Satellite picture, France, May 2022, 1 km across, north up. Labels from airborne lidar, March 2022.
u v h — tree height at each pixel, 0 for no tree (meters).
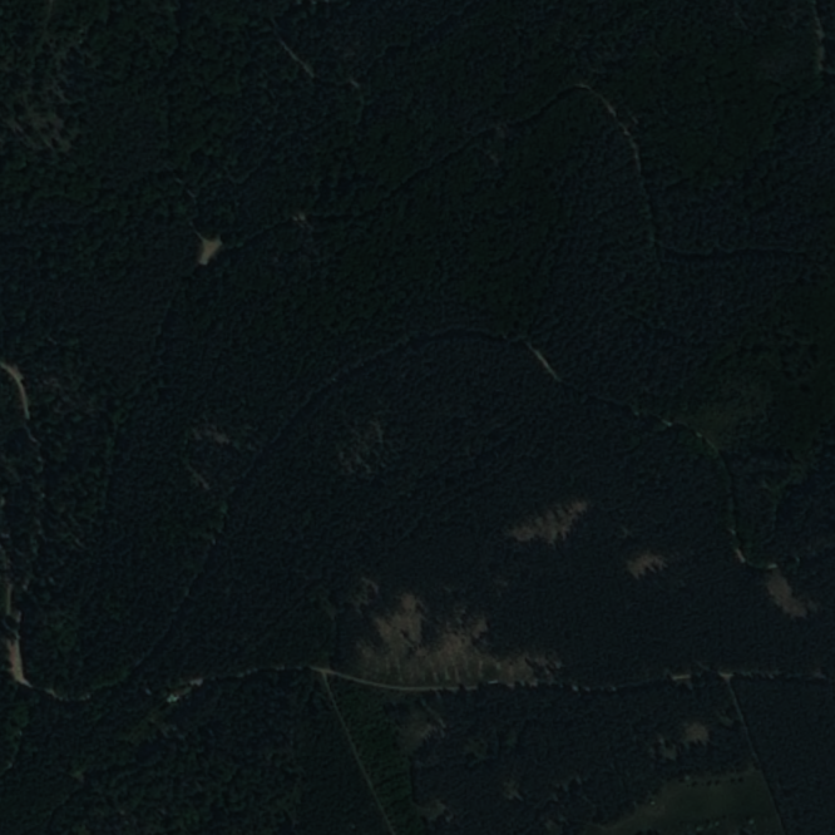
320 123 22
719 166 22
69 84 9
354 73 20
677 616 26
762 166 25
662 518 23
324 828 10
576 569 20
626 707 18
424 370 26
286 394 27
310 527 21
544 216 17
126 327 31
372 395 23
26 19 13
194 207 19
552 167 16
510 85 25
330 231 20
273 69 33
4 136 26
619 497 20
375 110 26
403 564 19
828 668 22
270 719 43
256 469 25
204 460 20
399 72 22
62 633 19
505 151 16
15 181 31
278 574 24
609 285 28
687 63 23
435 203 16
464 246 20
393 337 26
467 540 21
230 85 31
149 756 26
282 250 17
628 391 28
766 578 21
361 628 21
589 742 20
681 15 24
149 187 27
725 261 22
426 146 19
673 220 32
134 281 29
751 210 24
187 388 22
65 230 33
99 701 17
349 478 26
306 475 25
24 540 33
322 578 27
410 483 21
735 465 25
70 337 22
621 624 23
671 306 29
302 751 12
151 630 28
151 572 22
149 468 24
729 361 11
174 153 28
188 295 21
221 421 23
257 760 36
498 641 22
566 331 31
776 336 31
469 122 25
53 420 18
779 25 27
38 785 12
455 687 0
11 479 28
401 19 28
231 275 19
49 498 33
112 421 10
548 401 28
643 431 26
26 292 23
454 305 31
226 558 23
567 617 24
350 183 22
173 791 35
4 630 33
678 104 20
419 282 19
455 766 20
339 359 23
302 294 16
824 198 23
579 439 24
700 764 16
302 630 17
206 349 25
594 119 27
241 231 23
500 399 24
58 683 18
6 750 25
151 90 28
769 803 0
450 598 19
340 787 10
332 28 29
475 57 23
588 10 23
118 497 26
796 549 24
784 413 13
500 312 21
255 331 20
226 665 25
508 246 21
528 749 23
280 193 18
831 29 31
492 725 21
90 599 26
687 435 15
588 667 20
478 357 26
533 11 16
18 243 28
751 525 23
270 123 25
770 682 18
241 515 23
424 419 25
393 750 6
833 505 24
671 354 25
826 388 18
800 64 20
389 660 0
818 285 20
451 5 26
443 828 18
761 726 20
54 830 9
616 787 16
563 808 18
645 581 19
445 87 18
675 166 20
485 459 29
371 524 24
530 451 23
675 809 0
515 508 20
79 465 34
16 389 9
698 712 18
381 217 22
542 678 18
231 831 27
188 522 22
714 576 23
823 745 21
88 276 27
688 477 20
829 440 16
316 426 28
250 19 28
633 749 15
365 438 23
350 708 8
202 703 24
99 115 28
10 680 16
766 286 26
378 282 21
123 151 25
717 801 0
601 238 22
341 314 20
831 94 22
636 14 22
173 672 27
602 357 27
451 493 25
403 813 8
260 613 25
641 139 21
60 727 27
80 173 24
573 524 0
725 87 22
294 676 16
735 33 23
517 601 22
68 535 16
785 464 38
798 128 24
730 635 19
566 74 20
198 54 28
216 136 30
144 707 24
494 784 23
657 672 20
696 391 13
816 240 29
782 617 21
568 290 28
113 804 34
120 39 19
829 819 21
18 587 32
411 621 0
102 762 21
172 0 17
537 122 16
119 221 27
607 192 29
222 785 31
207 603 21
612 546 18
